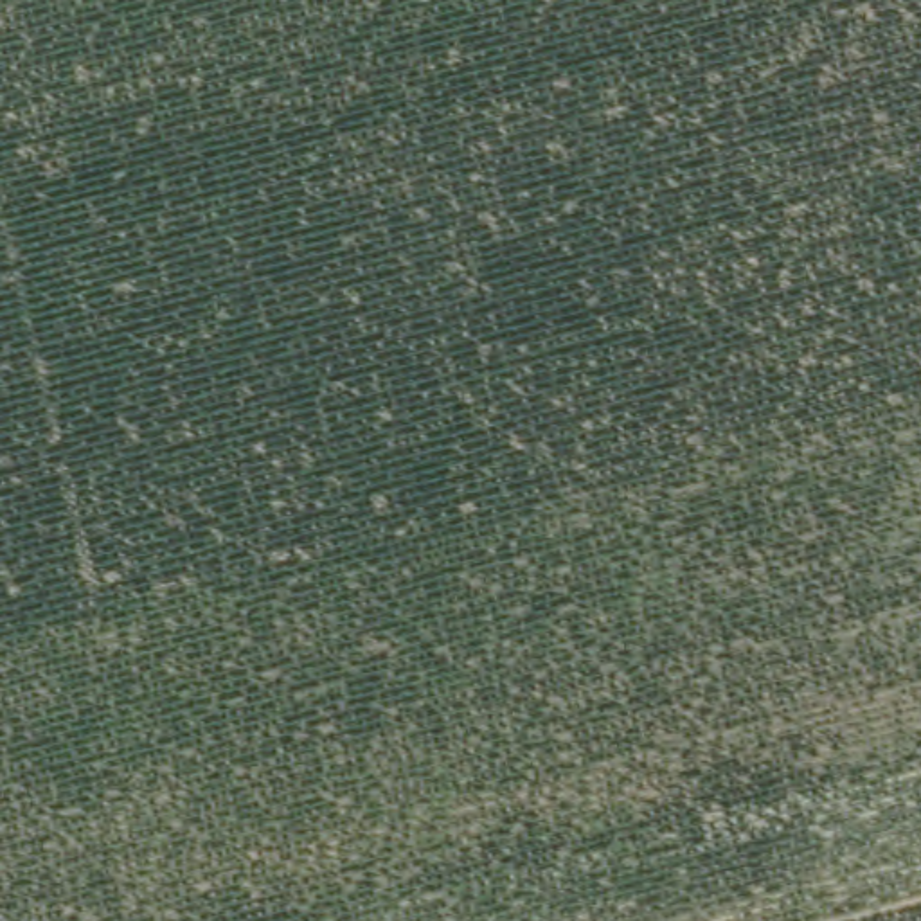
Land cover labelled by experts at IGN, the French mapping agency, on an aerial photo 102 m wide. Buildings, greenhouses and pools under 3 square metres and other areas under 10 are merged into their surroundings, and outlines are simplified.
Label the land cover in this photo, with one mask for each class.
<instances>
[{"label":"vineyard","instance_id":"1","mask_svg":"<svg viewBox=\"0 0 921 921\"><path fill-rule=\"evenodd\" d=\"M0 921H921V0H0Z\"/></svg>","mask_w":921,"mask_h":921}]
</instances>
